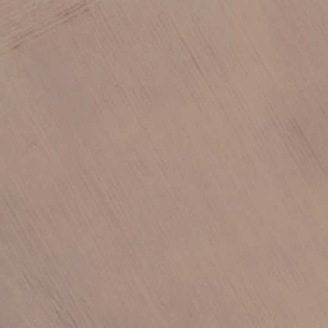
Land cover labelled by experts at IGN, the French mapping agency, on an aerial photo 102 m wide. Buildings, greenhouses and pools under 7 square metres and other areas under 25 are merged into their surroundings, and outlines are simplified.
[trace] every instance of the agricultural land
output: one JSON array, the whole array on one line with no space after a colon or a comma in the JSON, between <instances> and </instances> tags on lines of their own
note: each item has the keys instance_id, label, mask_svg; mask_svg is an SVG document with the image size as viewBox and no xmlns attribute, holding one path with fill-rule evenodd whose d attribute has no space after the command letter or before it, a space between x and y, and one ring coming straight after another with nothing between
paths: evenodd
<instances>
[{"instance_id":1,"label":"agricultural land","mask_svg":"<svg viewBox=\"0 0 328 328\"><path fill-rule=\"evenodd\" d=\"M0 0L0 328L328 328L328 0Z\"/></svg>"}]
</instances>

